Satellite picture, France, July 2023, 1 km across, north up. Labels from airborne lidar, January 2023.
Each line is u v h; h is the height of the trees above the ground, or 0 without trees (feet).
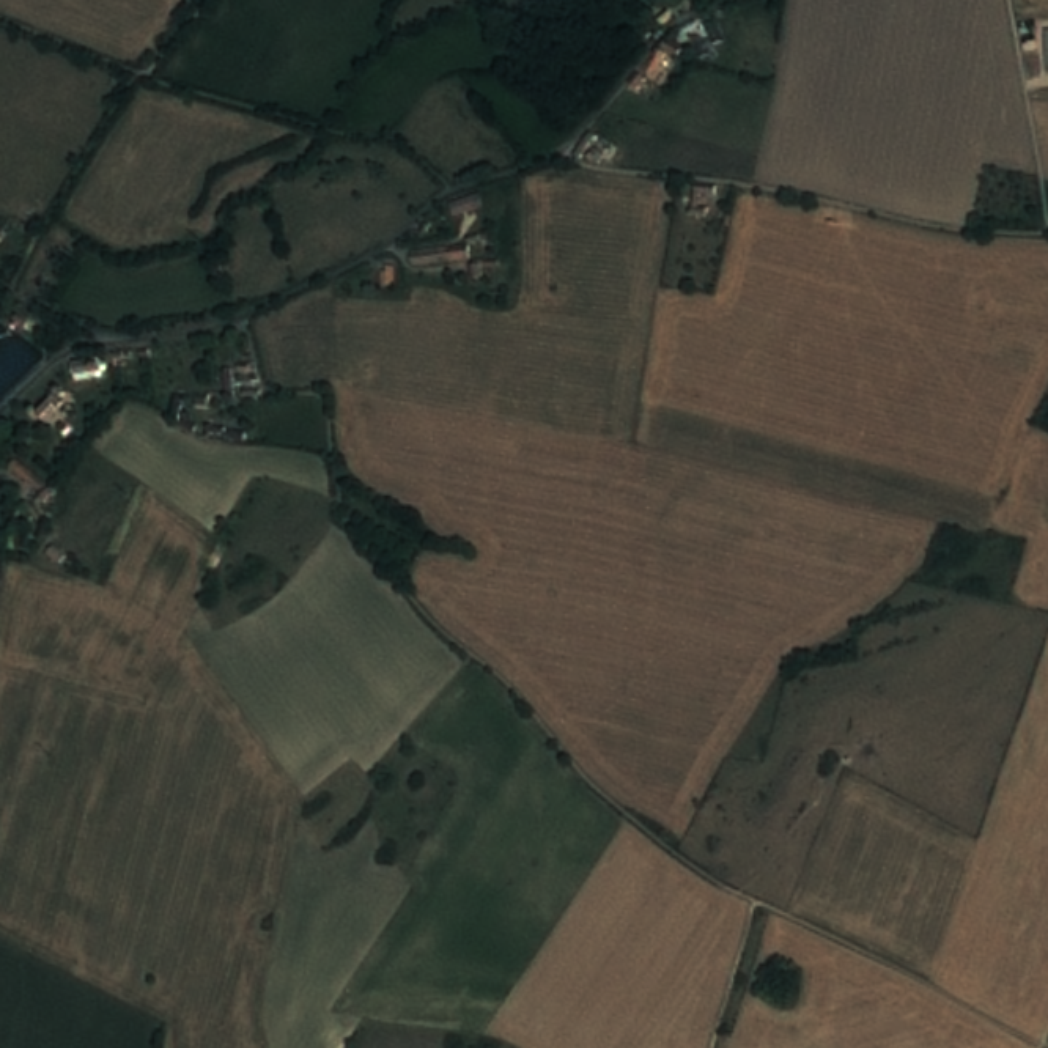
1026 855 0
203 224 0
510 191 0
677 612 0
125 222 0
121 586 0
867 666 0
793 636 0
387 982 0
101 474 0
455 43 0
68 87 0
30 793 0
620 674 0
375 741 0
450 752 0
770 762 0
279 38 0
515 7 115
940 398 0
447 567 0
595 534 0
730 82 0
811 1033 0
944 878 0
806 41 0
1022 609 0
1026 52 0
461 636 0
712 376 0
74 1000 0
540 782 0
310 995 0
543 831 0
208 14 34
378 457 0
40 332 39
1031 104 0
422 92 0
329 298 0
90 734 0
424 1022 0
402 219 0
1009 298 0
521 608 0
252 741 0
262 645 0
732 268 0
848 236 0
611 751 0
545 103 92
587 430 0
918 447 0
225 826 0
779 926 0
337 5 0
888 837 0
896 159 0
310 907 0
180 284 0
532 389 0
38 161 0
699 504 0
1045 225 0
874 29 0
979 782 0
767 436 0
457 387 0
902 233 0
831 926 0
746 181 0
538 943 0
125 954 0
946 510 0
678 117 0
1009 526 0
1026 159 0
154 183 0
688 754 0
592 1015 0
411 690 0
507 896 0
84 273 0
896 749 0
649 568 0
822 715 0
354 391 0
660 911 0
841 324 0
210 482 0
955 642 0
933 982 0
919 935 0
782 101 0
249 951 0
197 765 0
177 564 0
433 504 0
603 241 0
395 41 41
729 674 0
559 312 0
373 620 0
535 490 0
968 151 0
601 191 0
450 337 0
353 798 0
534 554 0
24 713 0
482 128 0
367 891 0
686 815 0
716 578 0
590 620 0
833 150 0
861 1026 0
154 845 0
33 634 0
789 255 0
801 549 0
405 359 0
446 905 0
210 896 0
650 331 0
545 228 0
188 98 44
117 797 0
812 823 0
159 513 0
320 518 0
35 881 0
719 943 0
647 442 0
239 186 0
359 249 0
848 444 0
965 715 0
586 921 0
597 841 0
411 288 0
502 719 0
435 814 0
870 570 0
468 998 0
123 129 0
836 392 0
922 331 0
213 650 0
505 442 0
